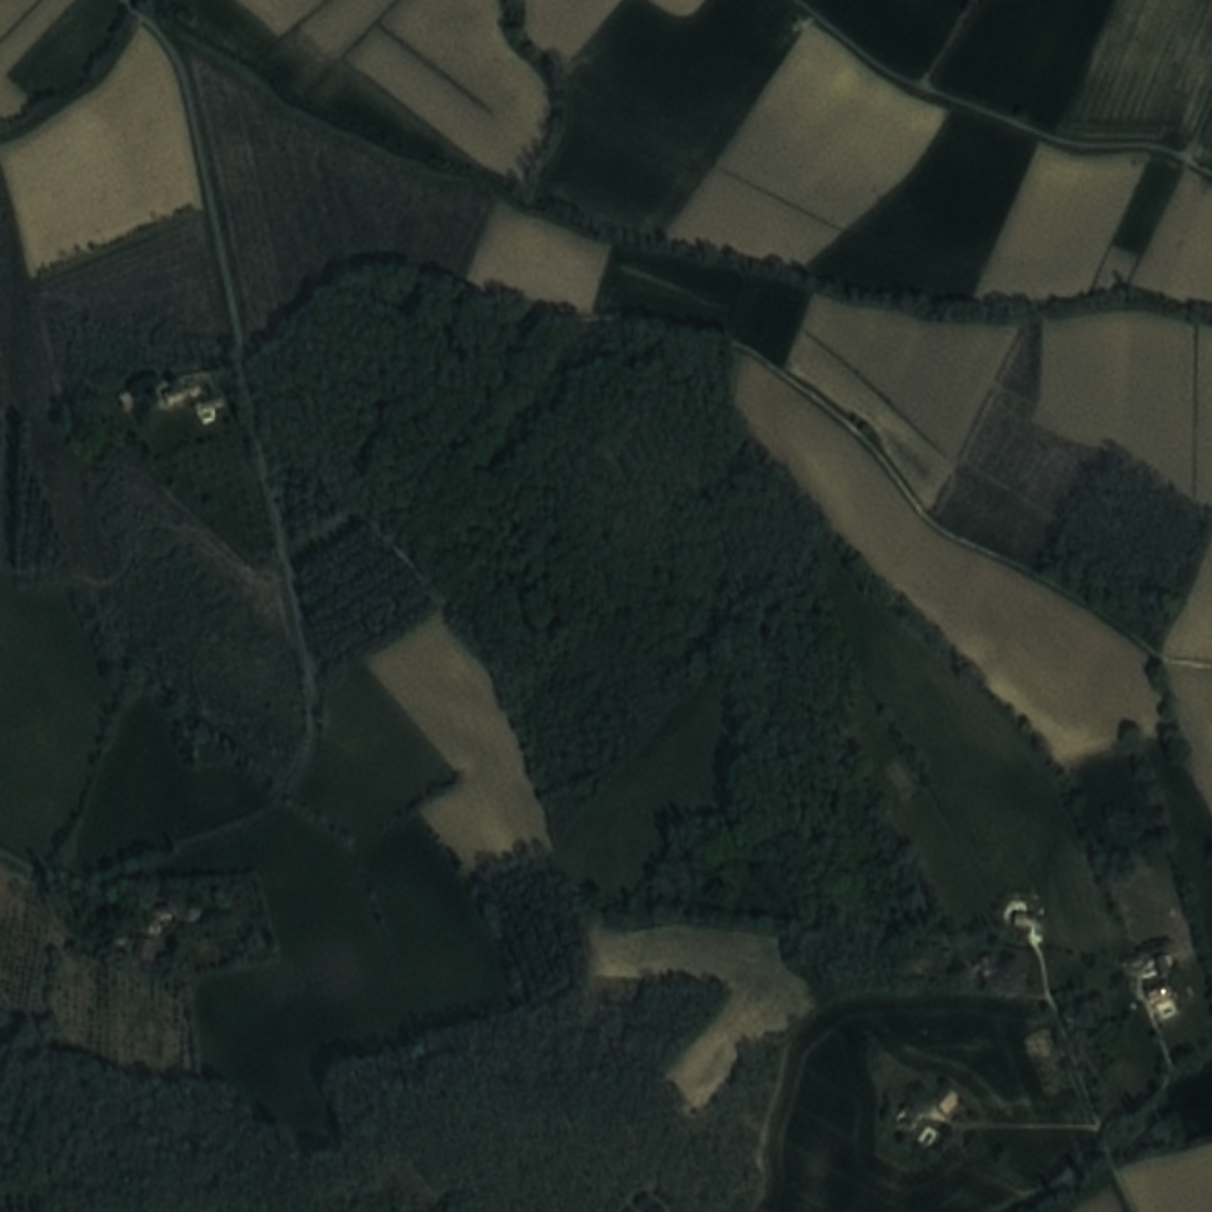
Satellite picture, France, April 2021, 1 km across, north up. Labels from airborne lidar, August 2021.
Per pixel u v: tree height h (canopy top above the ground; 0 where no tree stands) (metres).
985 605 0
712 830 13
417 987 0
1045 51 0
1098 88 0
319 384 26
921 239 0
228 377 16
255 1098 0
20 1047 22
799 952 18
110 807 0
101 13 0
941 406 0
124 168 0
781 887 13
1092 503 22
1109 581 20
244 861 0
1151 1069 0
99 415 23
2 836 0
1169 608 20
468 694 0
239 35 0
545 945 23
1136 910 0
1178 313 10
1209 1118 0
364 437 23
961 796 0
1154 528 23
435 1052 20
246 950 9
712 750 0
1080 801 14
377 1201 7
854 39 0
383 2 0
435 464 25
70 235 0
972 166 0
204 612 8
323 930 0
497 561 22
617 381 24
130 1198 18
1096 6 0
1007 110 0
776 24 0
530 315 21
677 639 25
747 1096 11
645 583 27
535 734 10
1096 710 0
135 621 7
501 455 13
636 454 29
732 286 0
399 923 0
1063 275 0
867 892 13
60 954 7
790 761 28
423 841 0
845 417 0
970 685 15
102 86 0
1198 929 13
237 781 0
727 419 25
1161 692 16
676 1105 15
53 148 0
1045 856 0
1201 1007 0
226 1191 20
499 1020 20
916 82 0
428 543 22
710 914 10
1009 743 0
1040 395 0
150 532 7
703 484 31
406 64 0
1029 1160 0
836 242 0
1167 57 0
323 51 0
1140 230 0
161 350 8
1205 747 0
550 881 14
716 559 24
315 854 0
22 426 20
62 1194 14
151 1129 18
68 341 9
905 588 0
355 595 17
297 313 13
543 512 21
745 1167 20
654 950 0
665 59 0
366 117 0
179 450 8
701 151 0
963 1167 0
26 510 18
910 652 0
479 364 29
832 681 29
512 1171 13
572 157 0
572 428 26
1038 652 0
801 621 23
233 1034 0
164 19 11
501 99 0
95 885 16
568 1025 13
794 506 21
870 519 0
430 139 0
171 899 12
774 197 0
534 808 0
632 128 0
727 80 0
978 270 0
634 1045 15
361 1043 0
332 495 16
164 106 0
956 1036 0
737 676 26
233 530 0
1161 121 0
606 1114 15
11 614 0
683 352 25
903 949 18
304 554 0
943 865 0
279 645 7
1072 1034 18
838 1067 0
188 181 0
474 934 0
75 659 0
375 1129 24
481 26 0
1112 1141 15
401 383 26
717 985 14
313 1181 18
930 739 0
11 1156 23
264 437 18
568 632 21
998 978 16
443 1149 15
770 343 0
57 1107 25
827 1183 0
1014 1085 0
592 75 0
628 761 12
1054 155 0
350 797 0
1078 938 0
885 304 10
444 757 0
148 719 0
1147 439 0
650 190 0
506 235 0
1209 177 0
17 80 0
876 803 17
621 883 0
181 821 0
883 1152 0
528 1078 18
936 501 0
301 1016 0
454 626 12
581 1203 15
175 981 7
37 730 0
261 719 8
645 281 0
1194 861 0
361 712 0
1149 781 15
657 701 13
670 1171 18
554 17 0
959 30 0
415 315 13
